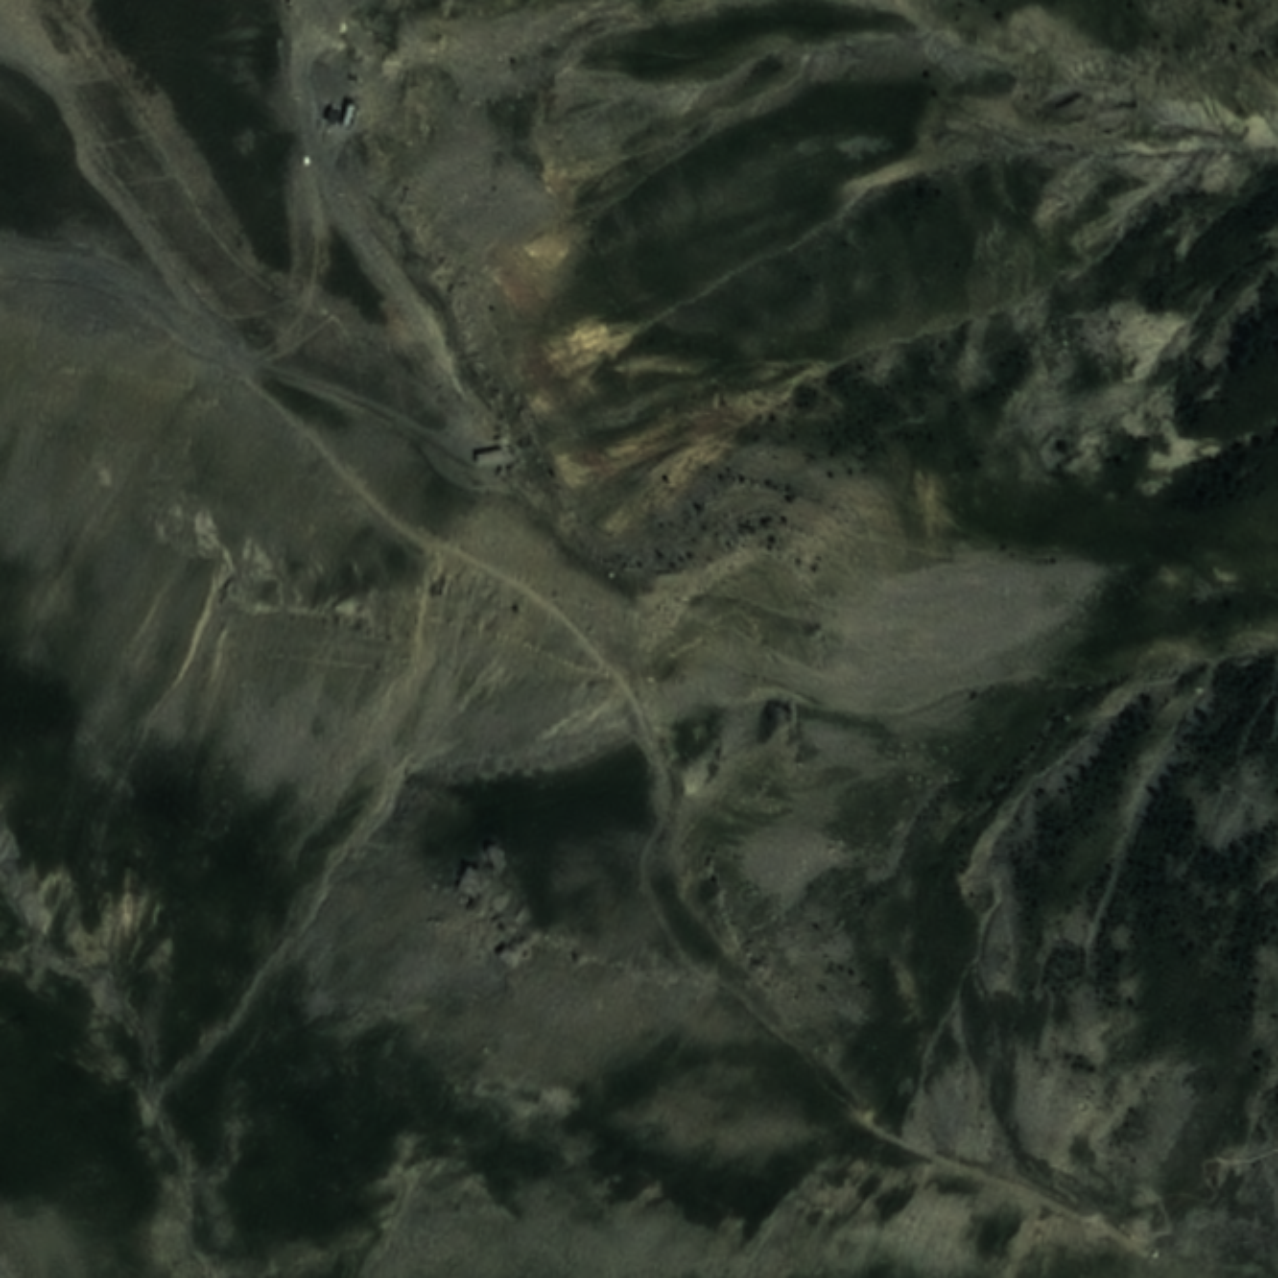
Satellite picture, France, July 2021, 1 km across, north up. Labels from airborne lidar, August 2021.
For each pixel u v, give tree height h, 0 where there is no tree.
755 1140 0
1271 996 0
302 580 0
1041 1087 0
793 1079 0
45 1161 0
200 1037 0
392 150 0
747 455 0
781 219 0
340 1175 0
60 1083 0
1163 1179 0
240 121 0
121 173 0
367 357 0
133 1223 0
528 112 0
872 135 0
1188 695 0
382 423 0
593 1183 0
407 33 0
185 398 0
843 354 0
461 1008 0
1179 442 0
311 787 0
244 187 0
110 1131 0
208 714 0
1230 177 0
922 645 0
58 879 0
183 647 0
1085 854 0
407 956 0
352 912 0
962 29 0
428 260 0
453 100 0
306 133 0
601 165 0
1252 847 8
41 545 0
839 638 0
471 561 0
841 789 0
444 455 0
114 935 0
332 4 0
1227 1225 0
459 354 0
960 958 0
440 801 0
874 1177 0
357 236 0
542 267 0
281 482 0
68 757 0
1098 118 0
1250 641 0
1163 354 0
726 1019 0
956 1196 0
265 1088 0
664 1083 0
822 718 0
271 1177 0
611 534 0
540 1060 0
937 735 0
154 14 0
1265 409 0
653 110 0
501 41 0
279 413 0
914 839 0
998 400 0
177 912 0
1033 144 0
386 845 0
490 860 0
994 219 0
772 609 0
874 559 0
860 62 0
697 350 0
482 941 0
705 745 0
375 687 0
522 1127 0
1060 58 0
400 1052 0
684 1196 0
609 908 0
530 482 0
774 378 0
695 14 0
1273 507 0
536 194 0
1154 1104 0
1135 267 0
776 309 0
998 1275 0
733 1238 0
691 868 0
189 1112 0
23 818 0
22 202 0
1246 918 9
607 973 0
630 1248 0
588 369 0
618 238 0
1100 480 0
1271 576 0
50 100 0
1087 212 0
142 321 0
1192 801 6
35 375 0
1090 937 0
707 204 0
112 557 0
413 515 0
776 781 0
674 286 0
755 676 0
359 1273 0
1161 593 0
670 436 0
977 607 0
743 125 0
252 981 0
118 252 0
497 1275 0
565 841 0
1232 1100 0
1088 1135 0
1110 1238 0
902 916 0
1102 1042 0
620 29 0
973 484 0
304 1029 0
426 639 0
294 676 0
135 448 0
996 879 0
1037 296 0
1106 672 0
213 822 0
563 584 0
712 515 0
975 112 0
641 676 0
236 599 0
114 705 0
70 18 0
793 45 0
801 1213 0
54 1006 0
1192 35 0
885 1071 0
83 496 0
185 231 0
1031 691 0
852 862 0
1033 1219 0
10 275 0
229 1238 0
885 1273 0
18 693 0
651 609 0
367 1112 0
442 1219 0
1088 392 0
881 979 0
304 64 0
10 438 0
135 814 0
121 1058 0
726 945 0
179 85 0
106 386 0
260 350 0
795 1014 0
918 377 0
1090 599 0
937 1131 0
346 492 0
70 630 0
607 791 0
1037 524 0
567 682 0
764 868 0
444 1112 0
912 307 0
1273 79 0
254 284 0
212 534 0
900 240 0
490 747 0
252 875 0
